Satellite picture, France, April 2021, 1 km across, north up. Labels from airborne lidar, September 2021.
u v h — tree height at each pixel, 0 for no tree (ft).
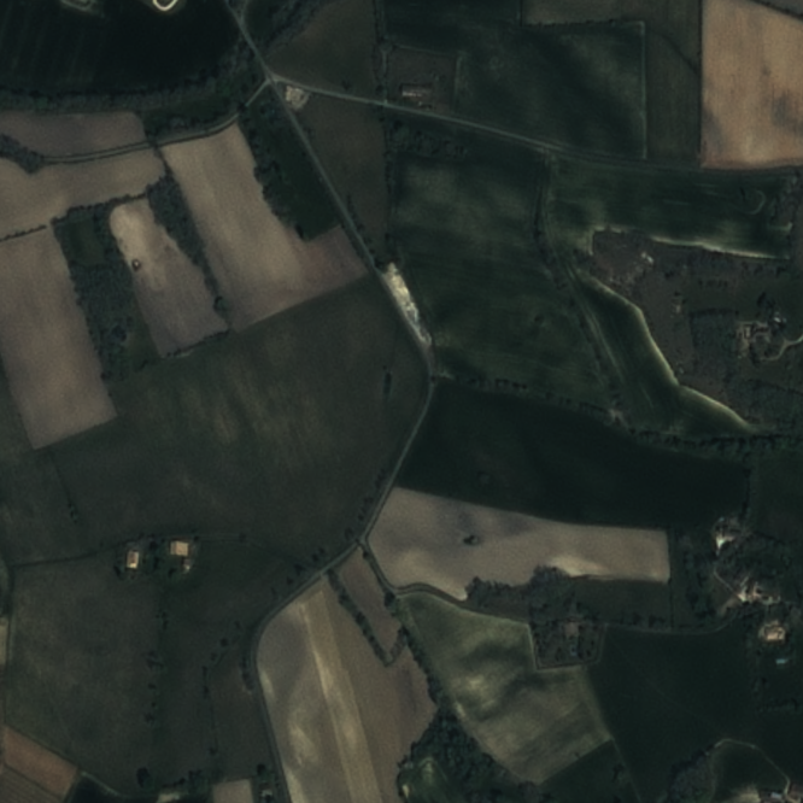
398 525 0
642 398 0
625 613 0
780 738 0
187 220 70
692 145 0
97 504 0
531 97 0
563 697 0
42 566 0
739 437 0
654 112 0
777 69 0
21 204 0
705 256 20
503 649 0
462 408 0
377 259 26
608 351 0
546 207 0
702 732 0
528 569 0
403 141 29
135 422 0
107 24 0
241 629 47
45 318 0
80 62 0
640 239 38
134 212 0
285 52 0
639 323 0
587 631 21
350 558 0
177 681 0
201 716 0
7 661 0
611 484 0
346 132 0
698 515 0
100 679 0
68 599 0
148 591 0
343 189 0
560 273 46
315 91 0
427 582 0
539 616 39
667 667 0
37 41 0
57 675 0
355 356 0
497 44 0
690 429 0
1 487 0
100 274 55
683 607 0
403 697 0
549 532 0
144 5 0
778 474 0
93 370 0
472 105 0
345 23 0
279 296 0
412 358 0
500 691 0
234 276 0
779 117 0
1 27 0
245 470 0
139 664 0
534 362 0
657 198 0
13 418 0
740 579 0
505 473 0
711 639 0
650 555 0
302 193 0
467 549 0
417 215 0
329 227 0
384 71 47
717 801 0
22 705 0
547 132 0
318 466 0
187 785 32
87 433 0
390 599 24
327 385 0
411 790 0
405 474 0
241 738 0
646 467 0
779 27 0
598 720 0
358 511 0
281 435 0
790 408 68
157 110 42
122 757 0
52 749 0
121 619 0
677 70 0
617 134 0
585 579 0
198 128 45
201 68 0
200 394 0
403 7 0
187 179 0
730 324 60
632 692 0
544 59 0
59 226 49
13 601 0
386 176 22
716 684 0
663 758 0
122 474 0
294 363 0
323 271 0
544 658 28
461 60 0
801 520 0
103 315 52
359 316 0
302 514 0
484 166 0
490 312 0
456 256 0
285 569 0
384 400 0
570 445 0
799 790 0
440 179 0
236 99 53
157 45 0
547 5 0
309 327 0
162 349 0
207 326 0
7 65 0
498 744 0
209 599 0
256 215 0
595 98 0
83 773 0
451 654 0
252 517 0
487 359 0
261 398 0
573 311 40
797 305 0
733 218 0
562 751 0
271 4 0
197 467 0
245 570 0
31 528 0
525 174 0
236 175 0
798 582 52
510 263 0
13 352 0
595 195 0
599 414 43
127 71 0
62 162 0
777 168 0
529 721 0
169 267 0
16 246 0
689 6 0
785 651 30
